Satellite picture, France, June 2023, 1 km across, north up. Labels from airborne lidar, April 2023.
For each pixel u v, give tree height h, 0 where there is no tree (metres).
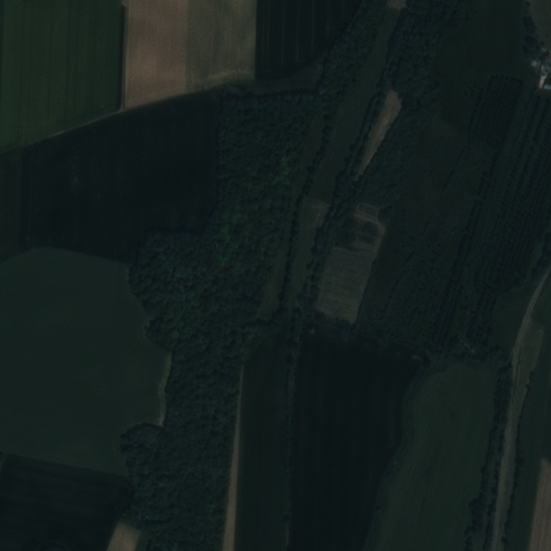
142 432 17
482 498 15
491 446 7
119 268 0
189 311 22
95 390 0
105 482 0
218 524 14
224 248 21
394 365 0
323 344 0
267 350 0
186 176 0
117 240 0
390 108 0
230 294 24
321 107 21
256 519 0
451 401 0
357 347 0
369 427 0
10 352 0
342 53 11
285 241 0
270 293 0
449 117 0
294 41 0
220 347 10
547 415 0
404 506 0
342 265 0
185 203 0
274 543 0
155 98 0
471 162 0
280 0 0
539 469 0
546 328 0
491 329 19
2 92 0
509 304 0
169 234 25
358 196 9
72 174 0
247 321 21
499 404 19
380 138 0
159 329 24
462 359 17
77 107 0
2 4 0
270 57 0
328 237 14
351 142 0
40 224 0
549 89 0
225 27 0
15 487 0
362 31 19
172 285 27
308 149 0
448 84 0
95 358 0
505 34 0
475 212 13
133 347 0
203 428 19
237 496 0
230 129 25
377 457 0
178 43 0
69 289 0
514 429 0
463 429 0
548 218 6
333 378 0
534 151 16
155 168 0
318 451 0
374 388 0
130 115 0
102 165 0
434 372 0
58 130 0
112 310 0
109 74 0
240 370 9
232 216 20
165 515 17
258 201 10
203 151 0
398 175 6
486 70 0
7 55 0
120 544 0
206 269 24
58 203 0
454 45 0
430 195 0
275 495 0
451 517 0
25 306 0
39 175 0
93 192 0
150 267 23
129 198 0
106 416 0
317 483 0
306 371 0
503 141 16
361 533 0
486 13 0
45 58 0
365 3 12
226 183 23
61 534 0
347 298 0
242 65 0
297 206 12
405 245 5
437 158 0
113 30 0
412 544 0
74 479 0
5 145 0
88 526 0
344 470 0
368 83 0
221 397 16
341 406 0
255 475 0
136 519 13
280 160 19
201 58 0
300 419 0
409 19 22
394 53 17
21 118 0
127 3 0
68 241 0
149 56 0
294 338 7
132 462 21
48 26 0
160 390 0
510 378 15
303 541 0
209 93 0
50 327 0
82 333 0
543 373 0
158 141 0
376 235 0
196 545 16
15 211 0
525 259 15
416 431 0
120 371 0
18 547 0
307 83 0
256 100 18
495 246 16
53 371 0
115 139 0
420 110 8
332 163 0
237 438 0
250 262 22
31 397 0
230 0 0
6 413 0
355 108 0
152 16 0
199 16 0
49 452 0
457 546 0
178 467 16
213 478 13
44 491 0
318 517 0
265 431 0
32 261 0
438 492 0
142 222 0
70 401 0
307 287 13
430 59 24
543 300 0
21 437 0
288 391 8
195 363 14
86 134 0
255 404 0
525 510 0
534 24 24
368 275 0
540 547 0
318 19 0
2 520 0
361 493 0
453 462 0
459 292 17
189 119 0
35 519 0
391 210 7
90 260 0
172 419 17
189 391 18
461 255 14
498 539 0
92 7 0
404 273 6
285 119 25
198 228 0
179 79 0
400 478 0
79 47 0
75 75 0
